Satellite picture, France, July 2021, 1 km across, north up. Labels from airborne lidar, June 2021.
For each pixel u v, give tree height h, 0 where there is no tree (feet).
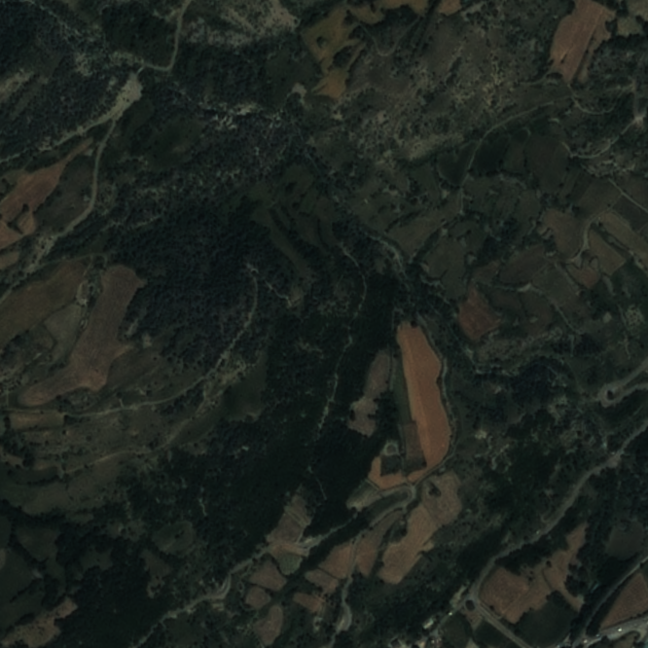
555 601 35
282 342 32
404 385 0
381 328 19
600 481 28
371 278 24
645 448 40
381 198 0
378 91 0
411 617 35
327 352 26
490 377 20
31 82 30
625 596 0
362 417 0
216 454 26
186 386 0
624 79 26
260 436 28
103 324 0
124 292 0
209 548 33
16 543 43
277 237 0
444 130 18
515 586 0
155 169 0
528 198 0
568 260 0
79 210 0
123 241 26
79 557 38
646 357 0
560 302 0
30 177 0
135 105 27
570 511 29
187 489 31
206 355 23
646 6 0
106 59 26
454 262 0
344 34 0
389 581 0
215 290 48
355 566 0
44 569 38
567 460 25
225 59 33
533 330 0
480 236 0
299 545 0
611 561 26
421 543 0
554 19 19
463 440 0
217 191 32
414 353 0
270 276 33
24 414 0
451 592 23
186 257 34
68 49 27
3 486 0
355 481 35
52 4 28
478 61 0
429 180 0
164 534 0
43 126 31
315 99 0
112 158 0
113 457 0
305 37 0
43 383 0
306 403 29
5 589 0
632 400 27
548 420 24
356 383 19
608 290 0
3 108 27
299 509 0
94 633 26
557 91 0
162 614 28
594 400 0
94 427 0
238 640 0
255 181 28
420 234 0
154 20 31
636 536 0
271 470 29
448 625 0
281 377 27
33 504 0
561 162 0
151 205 21
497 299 0
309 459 29
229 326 34
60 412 21
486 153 0
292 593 20
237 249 30
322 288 21
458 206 0
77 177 0
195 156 26
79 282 0
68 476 20
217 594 0
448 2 0
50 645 27
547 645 0
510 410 0
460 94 0
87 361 0
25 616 24
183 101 26
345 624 0
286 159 21
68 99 34
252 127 36
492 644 0
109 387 0
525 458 32
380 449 29
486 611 0
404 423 0
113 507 22
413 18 19
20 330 0
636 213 0
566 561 0
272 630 0
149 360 0
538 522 0
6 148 31
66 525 46
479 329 0
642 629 0
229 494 20
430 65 0
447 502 0
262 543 22
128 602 37
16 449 31
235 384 0
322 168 22
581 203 0
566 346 20
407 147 0
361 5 20
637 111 0
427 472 0
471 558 58
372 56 0
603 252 0
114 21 32
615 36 23
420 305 22
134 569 25
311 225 0
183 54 25
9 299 0
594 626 41
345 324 24
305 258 23
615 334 0
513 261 0
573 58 0
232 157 31
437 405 0
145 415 0
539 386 35
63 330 0
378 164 0
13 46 48
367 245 33
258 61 25
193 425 0
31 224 0
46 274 0
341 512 26
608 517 41
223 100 18
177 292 31
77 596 38
